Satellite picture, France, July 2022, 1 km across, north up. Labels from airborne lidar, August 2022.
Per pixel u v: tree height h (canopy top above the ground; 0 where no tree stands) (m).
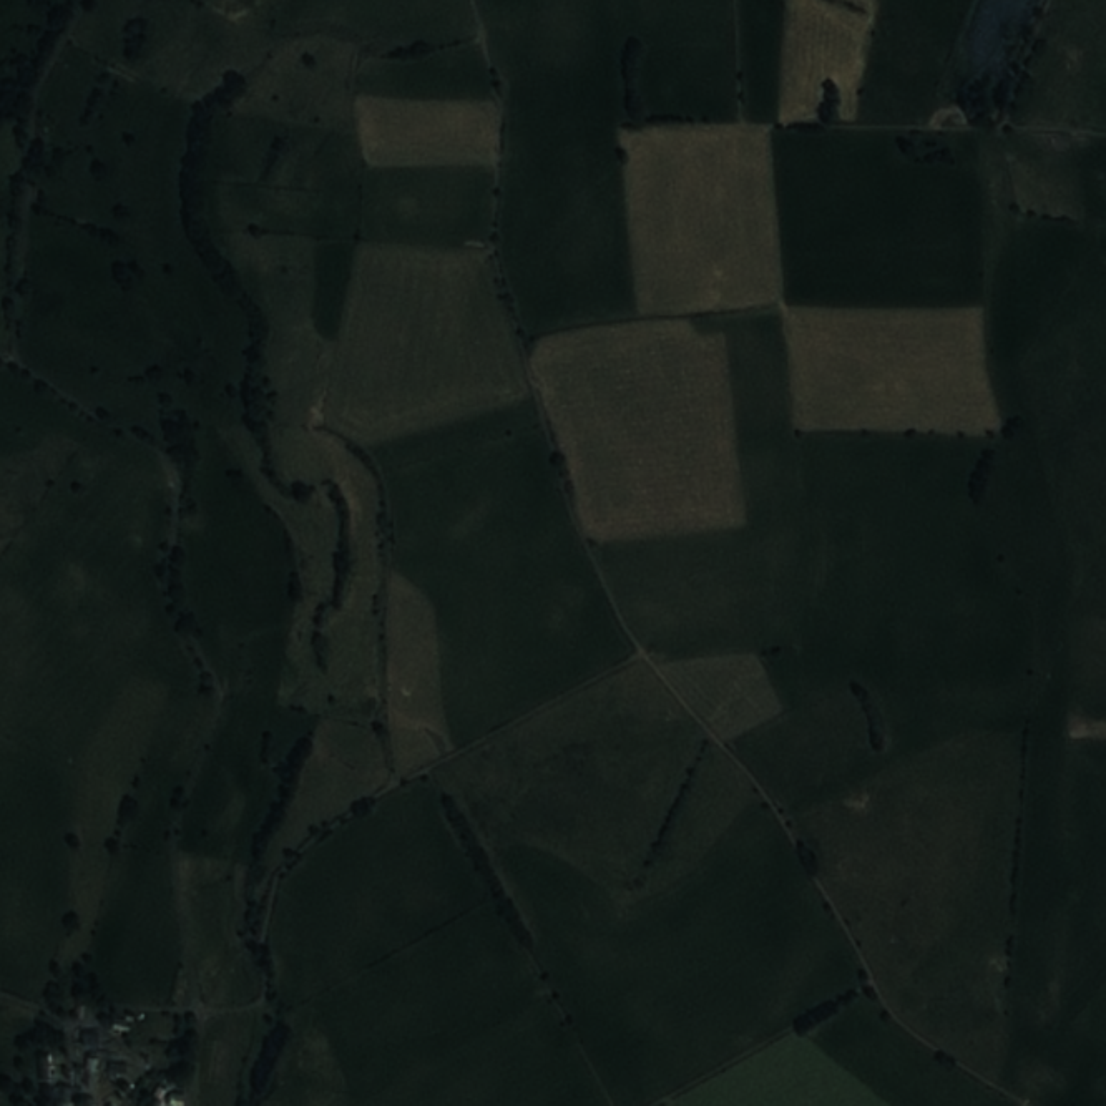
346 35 0
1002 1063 0
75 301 0
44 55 13
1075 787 0
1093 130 0
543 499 0
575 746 0
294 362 0
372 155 0
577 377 0
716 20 0
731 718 0
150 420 0
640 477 0
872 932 0
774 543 0
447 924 0
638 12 0
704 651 0
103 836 0
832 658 0
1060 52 0
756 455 0
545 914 0
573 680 0
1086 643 0
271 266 0
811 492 0
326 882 0
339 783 0
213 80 0
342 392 0
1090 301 0
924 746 0
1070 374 0
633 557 0
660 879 0
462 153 0
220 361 0
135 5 0
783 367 0
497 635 0
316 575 0
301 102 0
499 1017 0
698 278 0
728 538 0
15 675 0
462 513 0
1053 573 0
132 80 0
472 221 0
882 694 0
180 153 0
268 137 0
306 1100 0
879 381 0
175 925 0
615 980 0
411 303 0
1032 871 0
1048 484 0
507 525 0
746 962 0
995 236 0
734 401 0
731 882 0
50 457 0
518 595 0
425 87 0
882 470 0
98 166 13
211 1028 0
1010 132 9
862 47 0
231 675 0
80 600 0
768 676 0
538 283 0
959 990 0
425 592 0
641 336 0
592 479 0
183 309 0
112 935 0
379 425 0
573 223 0
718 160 0
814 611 0
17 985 0
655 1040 0
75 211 0
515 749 0
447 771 0
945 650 0
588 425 0
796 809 0
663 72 0
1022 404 0
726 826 0
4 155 0
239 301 10
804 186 0
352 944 0
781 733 0
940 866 0
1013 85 11
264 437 10
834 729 0
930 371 0
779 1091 0
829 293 0
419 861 0
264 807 0
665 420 0
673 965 0
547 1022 0
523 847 0
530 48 0
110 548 0
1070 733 0
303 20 0
